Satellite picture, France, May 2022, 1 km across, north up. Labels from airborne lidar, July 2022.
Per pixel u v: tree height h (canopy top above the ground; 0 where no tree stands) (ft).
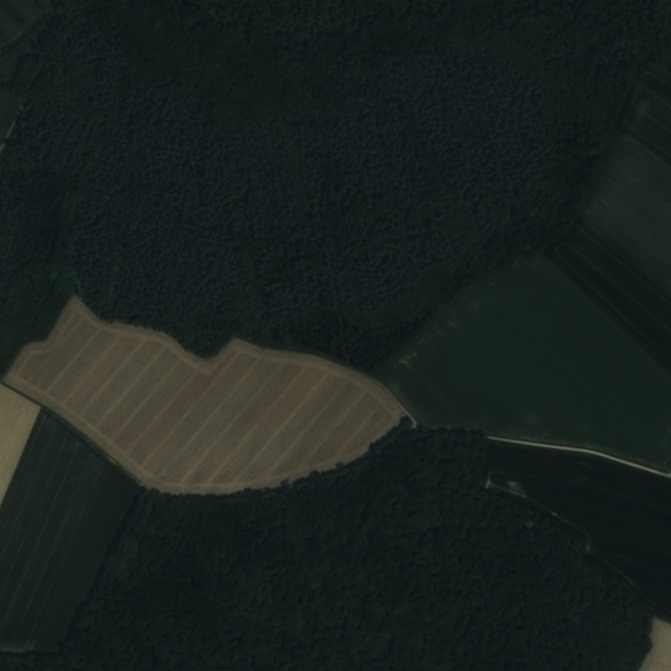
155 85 83
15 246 72
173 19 106
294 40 105
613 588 89
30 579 0
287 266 69
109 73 81
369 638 77
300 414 0
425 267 89
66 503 0
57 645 0
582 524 0
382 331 62
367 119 102
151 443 0
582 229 0
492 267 91
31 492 0
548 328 0
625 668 69
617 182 0
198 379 0
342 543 75
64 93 83
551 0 48
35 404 0
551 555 81
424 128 92
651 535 0
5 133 0
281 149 108
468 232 86
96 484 0
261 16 77
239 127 79
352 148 94
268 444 0
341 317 47
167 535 76
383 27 87
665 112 0
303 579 70
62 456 0
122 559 75
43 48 76
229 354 0
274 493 42
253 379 0
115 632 76
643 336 0
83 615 68
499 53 70
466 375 0
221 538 92
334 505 85
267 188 88
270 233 83
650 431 0
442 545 86
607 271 0
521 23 83
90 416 0
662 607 0
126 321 47
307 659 95
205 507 82
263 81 85
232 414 0
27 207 70
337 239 72
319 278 88
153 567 84
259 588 85
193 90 71
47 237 99
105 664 88
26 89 71
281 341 75
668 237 0
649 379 0
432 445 88
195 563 96
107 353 0
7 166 73
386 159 92
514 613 83
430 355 0
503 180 83
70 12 60
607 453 0
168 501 74
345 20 61
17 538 0
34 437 0
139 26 88
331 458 0
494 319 0
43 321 22
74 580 0
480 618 68
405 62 90
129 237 96
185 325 79
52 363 0
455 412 0
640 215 0
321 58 86
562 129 90
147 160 86
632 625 85
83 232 75
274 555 94
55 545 0
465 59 68
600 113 85
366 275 84
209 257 99
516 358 0
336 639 58
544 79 81
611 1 23
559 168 100
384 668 82
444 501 82
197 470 0
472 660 90
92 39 68
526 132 102
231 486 0
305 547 80
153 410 0
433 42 59
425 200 101
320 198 38
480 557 89
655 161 0
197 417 0
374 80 88
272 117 76
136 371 0
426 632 73
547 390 0
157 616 81
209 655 77
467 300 0
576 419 0
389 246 79
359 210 73
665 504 0
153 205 70
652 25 31
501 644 84
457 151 87
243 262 91
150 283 108
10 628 0
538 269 0
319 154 96
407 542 82
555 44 79
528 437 0
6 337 26
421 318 40
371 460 72
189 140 85
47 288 18
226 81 77
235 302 93
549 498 0
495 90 103
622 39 84
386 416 0
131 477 0
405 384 0
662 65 71
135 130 76
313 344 48
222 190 98
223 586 82
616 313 0
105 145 90
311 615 74
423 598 66
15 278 80
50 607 0
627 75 64
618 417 0
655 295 0
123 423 0
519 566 95
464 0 85
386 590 92
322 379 0
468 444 75
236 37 83
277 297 89
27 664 58
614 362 0
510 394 0
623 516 0
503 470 0
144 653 91
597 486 0
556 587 91
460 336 0
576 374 0
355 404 0
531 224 89
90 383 0
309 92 70
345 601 75
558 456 0
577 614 51
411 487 92
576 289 0
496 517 82
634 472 0
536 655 92
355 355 88
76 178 71
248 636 77
